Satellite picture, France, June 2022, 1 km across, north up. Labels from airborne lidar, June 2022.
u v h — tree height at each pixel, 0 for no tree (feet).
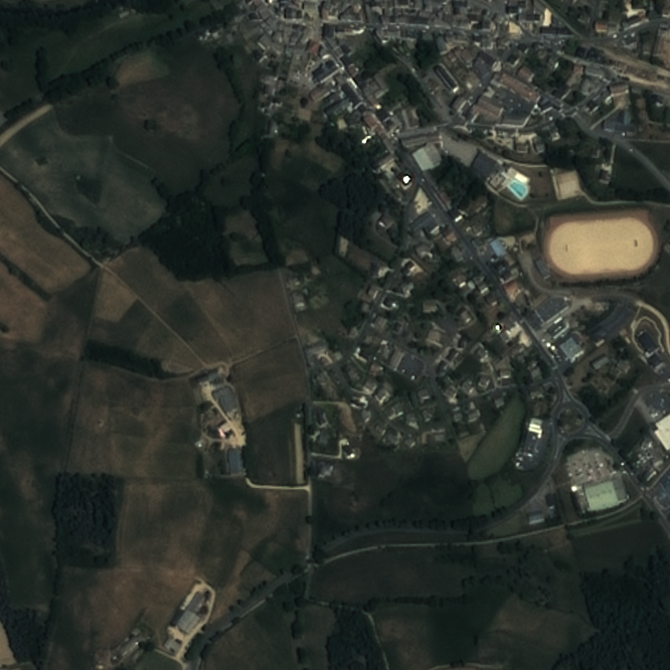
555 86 42
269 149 67
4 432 0
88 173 0
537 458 0
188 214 42
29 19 64
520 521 0
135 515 0
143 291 0
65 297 0
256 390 0
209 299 0
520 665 0
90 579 0
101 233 39
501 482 0
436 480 0
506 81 0
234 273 64
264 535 0
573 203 0
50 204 0
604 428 38
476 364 0
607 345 0
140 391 0
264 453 0
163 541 0
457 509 0
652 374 0
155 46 47
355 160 44
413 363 0
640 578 27
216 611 0
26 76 0
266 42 0
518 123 0
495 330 0
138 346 0
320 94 0
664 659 94
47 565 0
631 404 0
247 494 0
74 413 0
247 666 0
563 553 0
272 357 0
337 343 22
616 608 82
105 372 0
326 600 0
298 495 0
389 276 28
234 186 0
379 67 19
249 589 0
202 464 0
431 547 20
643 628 60
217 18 19
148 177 0
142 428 0
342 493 0
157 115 0
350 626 21
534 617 0
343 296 0
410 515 0
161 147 0
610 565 0
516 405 0
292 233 0
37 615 52
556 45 0
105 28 0
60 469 0
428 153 0
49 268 0
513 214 0
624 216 0
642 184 0
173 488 0
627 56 0
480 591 0
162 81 0
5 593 60
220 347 0
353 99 0
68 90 68
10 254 0
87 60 0
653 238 0
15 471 0
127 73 0
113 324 0
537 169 0
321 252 0
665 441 0
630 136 0
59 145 0
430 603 40
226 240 70
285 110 0
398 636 0
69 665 0
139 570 0
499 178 0
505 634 0
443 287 47
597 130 0
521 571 35
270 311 0
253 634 0
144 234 37
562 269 0
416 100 50
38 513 0
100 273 0
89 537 45
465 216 28
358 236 48
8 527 0
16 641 67
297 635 56
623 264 0
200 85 0
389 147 0
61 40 0
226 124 0
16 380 0
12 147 0
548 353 0
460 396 35
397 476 0
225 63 66
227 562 0
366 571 0
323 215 0
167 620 0
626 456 47
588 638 0
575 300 0
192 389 0
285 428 0
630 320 0
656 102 0
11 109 0
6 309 0
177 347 0
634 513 0
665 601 71
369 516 0
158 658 0
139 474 0
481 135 38
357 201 82
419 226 0
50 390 0
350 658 67
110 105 0
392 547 29
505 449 0
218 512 0
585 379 31
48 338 0
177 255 53
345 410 0
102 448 0
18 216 0
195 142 0
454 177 23
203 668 0
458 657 0
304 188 0
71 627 0
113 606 0
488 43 0
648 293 0
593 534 0
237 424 0
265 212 82
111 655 0
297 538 0
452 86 0
